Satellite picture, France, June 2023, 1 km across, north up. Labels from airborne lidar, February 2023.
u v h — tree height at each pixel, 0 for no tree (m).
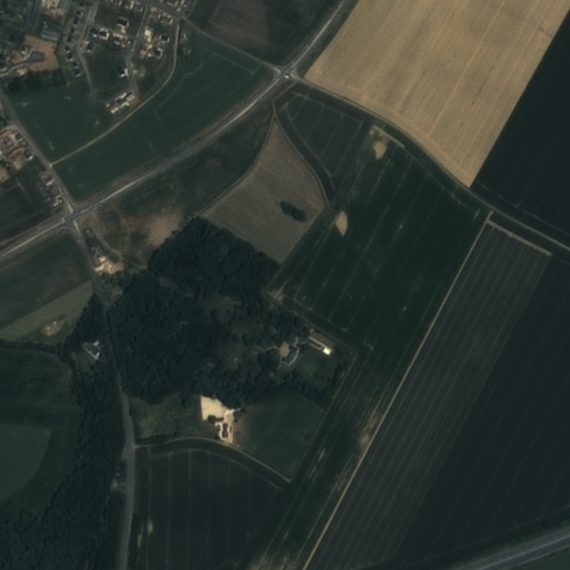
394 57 0
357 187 0
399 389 0
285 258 0
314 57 0
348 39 0
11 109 0
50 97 0
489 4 0
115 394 17
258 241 0
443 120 0
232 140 0
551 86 0
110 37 0
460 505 0
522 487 0
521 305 0
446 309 0
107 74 0
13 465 0
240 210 0
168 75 0
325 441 0
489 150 0
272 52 0
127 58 0
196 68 0
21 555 22
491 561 0
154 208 0
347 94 0
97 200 0
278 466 0
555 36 0
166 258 18
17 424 0
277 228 0
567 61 0
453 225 0
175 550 0
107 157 0
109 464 17
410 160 0
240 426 0
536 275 0
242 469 0
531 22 0
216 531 0
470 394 0
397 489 0
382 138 0
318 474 0
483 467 0
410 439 0
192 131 0
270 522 0
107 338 19
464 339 0
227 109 0
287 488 0
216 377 20
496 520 0
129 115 0
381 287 0
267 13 0
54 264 0
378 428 0
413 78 0
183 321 27
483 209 0
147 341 20
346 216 0
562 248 0
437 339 0
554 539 0
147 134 0
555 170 0
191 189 0
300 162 0
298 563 0
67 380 0
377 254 0
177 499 0
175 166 0
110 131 0
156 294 23
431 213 0
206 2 0
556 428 0
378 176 0
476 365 0
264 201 0
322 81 0
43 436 0
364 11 0
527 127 0
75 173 0
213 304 0
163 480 0
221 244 24
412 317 0
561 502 0
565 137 0
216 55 0
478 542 0
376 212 0
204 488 0
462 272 0
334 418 0
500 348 0
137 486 0
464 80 0
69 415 0
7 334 0
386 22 0
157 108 0
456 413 0
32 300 0
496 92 0
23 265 0
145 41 0
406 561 0
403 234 0
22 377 0
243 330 0
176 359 14
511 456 0
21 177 0
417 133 0
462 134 0
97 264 0
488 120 0
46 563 21
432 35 0
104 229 0
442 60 0
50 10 0
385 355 0
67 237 0
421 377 0
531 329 0
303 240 0
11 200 0
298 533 0
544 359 0
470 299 0
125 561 0
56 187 0
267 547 0
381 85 0
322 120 0
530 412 0
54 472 0
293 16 0
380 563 0
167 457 0
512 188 0
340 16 0
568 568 0
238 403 12
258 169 0
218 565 0
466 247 0
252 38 0
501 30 0
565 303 0
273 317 25
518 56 0
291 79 0
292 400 0
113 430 17
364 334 0
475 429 0
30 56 0
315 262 0
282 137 0
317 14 0
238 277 13
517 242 0
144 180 0
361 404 0
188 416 0
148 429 0
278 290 0
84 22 0
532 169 0
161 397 12
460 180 0
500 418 0
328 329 0
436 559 0
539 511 0
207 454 0
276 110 0
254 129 0
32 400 0
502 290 0
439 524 0
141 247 0
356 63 0
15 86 15
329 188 0
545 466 0
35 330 0
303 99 0
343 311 0
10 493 0
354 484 0
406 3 0
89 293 0
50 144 0
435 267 0
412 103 0
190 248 13
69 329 0
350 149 0
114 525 10
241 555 0
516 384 0
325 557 0
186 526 0
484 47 0
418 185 0
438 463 0
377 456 0
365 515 0
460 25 0
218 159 0
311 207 0
